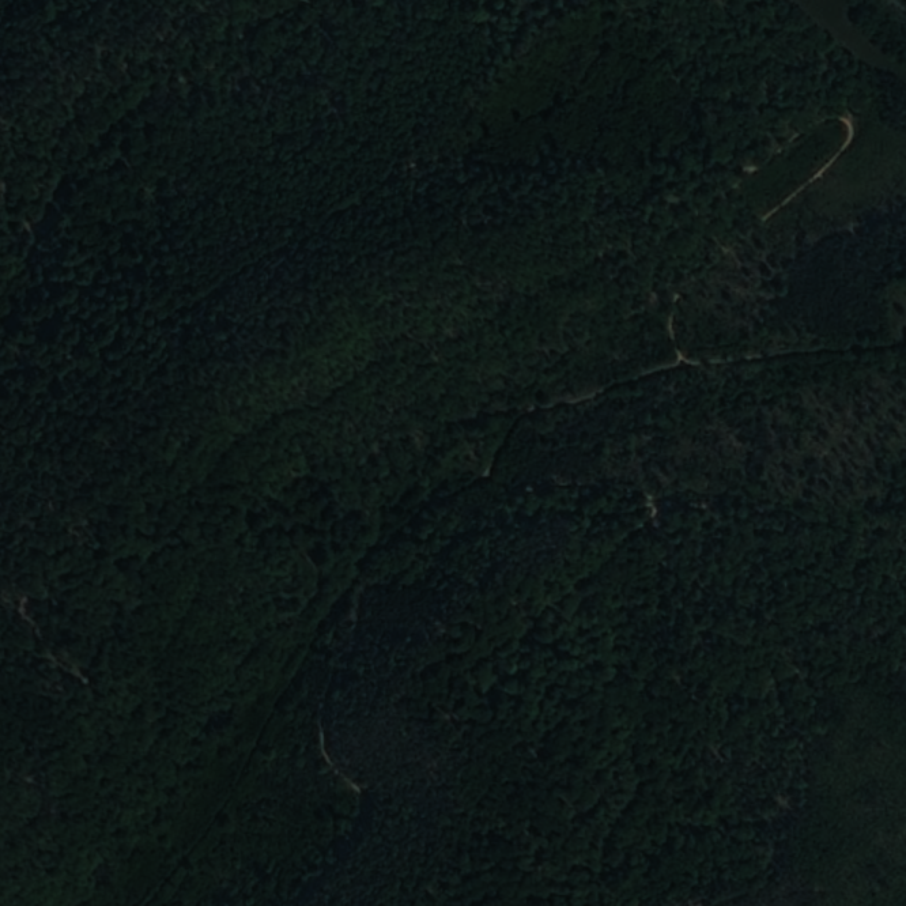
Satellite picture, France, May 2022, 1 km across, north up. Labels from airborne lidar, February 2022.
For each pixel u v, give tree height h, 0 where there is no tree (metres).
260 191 30
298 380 27
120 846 33
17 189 34
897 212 32
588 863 31
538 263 30
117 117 34
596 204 35
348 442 28
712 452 23
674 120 12
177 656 34
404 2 25
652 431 12
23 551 11
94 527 36
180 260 33
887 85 19
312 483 20
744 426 28
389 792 28
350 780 20
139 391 25
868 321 13
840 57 24
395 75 30
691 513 26
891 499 8
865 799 17
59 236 18
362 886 22
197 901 6
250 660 31
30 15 33
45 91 19
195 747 31
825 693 19
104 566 34
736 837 30
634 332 8
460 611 27
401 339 27
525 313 31
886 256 16
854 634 23
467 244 24
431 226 33
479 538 27
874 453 24
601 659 31
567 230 25
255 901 6
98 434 29
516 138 12
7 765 26
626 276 29
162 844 26
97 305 40
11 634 31
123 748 35
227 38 27
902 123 12
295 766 10
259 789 10
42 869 34
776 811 33
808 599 25
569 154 6
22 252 18
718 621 28
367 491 32
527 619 30
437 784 27
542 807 29
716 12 29
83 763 34
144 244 34
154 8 26
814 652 30
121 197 34
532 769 29
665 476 28
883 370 24
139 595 26
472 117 32
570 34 12
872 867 15
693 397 10
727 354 7
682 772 27
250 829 12
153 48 31
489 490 13
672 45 26
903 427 24
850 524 24
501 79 14
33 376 35
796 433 9
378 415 31
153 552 34
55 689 30
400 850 28
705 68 28
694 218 21
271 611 31
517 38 27
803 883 13
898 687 22
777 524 29
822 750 18
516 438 9
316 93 26
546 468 10
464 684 35
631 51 12
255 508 43
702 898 19
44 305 43
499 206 33
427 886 26
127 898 11
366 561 26
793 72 30
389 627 13
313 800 7
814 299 16
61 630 26
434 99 26
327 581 26
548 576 28
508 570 24
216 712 35
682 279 28
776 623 25
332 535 32
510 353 28
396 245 25
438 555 15
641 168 37
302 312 21
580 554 28
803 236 11
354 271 20
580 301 25
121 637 34
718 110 33
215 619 28
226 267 26
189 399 24
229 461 33
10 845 26
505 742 28
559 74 8
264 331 26
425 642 25
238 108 30
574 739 30
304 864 6
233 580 27
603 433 8
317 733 14
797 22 28
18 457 29
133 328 37
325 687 8
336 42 31
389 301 27
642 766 28
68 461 26
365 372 32
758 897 18
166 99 39
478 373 29
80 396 31
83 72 26
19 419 32
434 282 27
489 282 27
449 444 26
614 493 32
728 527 27
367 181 30
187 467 26
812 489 23
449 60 27
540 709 36
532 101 10
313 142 34
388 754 24
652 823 31
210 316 17
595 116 9
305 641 9
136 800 34
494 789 29
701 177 20
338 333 24
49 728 28
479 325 29
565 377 8
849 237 14
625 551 27
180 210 30
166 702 34
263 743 12
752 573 36
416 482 34
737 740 33
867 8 17
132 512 35
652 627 28
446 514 31
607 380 6
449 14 30
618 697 33
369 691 25
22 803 27
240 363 19
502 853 31
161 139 37
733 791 32
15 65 27
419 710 28
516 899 29
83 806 33
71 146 36
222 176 32
